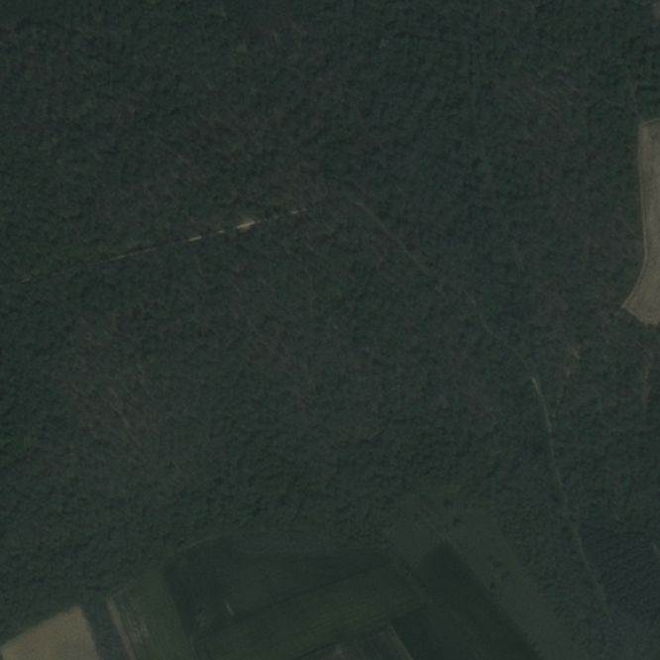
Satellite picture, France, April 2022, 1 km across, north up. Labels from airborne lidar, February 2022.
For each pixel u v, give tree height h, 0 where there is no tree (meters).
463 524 16
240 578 0
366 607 0
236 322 25
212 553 0
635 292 0
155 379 24
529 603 0
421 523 17
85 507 20
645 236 0
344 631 0
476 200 28
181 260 28
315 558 0
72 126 27
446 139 25
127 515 24
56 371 23
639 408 25
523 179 25
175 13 30
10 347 27
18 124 26
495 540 0
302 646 0
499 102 23
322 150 26
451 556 0
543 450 11
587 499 19
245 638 0
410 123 21
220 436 25
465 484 19
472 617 0
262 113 27
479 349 20
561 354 25
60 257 25
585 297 24
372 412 27
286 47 17
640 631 28
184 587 0
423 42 23
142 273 6
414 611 0
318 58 26
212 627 0
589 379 24
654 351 27
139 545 24
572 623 20
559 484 0
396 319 27
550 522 25
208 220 26
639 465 25
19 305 24
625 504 23
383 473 23
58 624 0
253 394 25
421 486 24
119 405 27
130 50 25
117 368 27
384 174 27
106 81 29
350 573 0
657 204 0
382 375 25
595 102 24
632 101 27
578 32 26
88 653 0
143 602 0
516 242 23
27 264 27
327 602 0
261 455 27
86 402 24
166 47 26
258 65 27
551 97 29
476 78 21
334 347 25
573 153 25
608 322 0
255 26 15
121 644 24
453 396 29
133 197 30
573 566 25
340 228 25
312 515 23
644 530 11
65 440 27
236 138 30
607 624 25
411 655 0
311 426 24
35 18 11
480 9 29
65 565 27
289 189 27
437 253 26
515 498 25
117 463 25
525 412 32
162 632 0
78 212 27
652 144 0
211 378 26
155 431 27
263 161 22
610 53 26
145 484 25
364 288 21
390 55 24
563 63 25
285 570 0
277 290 28
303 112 26
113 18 27
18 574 23
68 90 29
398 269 26
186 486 28
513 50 26
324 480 25
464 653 0
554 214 28
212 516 15
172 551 17
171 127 30
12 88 26
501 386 25
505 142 25
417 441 11
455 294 25
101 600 25
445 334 29
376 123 27
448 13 23
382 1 26
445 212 27
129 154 29
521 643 0
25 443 18
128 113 28
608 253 27
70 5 29
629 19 25
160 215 23
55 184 28
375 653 0
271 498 25
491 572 0
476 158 24
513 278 32
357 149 20
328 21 26
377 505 23
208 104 28
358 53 24
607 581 20
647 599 18
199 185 25
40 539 25
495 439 19
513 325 25
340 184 23
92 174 29
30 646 0
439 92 27
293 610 0
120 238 28
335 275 28
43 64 29
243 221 0
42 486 26
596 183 21
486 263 22
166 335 28
